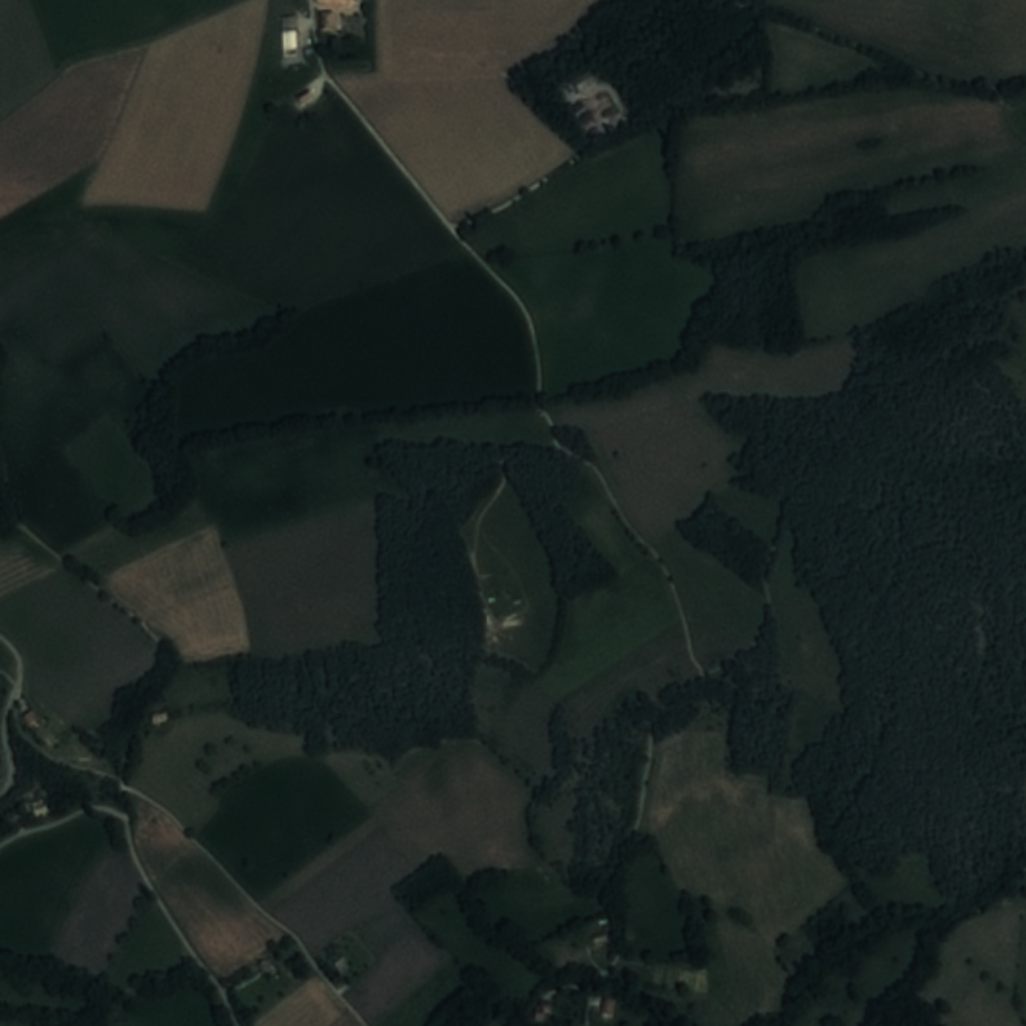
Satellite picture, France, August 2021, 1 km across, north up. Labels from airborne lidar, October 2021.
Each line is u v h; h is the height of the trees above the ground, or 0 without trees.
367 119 0
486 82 0
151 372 0
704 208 0
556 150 0
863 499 12
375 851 0
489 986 23
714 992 0
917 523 12
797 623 0
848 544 13
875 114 0
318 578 0
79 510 0
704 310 18
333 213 0
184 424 0
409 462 14
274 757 0
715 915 11
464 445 10
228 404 0
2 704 8
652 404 0
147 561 0
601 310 0
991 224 0
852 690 14
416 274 0
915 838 12
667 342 0
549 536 15
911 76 10
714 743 0
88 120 0
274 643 0
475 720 9
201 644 0
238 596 0
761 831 0
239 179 0
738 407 18
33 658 0
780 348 16
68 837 0
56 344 0
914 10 0
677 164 17
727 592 0
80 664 0
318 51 13
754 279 18
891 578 12
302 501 0
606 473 0
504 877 12
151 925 0
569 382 0
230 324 0
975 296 9
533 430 0
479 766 0
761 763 12
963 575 10
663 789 0
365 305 0
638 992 15
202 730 0
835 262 0
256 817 0
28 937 0
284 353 0
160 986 22
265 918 0
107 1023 13
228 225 0
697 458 0
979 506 10
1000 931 0
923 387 9
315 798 0
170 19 0
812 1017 0
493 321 0
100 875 0
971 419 7
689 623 0
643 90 19
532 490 13
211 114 0
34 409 0
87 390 0
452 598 16
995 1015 0
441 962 0
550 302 0
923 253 0
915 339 9
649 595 0
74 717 0
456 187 0
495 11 0
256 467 0
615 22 20
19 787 11
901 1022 17
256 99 0
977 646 12
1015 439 12
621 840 8
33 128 0
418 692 11
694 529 13
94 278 0
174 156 0
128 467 0
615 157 0
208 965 0
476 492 8
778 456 18
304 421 13
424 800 0
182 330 0
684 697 16
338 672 8
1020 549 9
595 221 0
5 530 15
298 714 10
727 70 13
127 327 0
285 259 0
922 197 0
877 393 14
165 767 0
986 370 13
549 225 0
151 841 0
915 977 14
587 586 15
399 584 14
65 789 14
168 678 12
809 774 16
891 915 9
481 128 0
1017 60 0
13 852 0
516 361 0
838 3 0
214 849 0
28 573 0
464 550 14
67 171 0
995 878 15
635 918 0
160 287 0
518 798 0
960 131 0
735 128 0
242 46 0
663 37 12
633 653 0
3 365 12
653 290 0
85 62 0
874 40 0
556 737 10
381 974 0
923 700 11
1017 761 6
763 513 0
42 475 0
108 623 0
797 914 0
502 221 0
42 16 0
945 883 12
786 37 0
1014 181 0
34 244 0
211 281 0
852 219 11
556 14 0
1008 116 0
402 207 0
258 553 0
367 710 13
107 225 0
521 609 0
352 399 0
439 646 10
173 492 20
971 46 0
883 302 0
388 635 10
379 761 6
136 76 0
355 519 0
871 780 11
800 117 0
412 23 0
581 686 0
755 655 10
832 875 0
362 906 0
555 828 0
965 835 9
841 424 14
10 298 0
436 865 14
